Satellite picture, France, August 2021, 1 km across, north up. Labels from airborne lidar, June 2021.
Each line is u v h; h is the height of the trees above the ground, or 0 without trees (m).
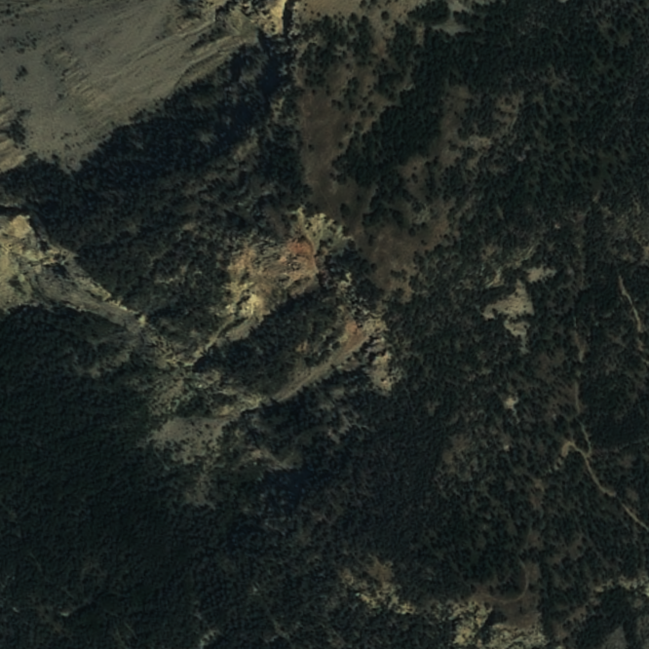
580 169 21
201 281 11
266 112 7
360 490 20
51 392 12
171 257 11
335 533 16
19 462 7
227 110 9
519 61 20
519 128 12
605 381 9
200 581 7
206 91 12
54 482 12
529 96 16
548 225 15
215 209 10
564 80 16
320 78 14
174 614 11
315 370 0
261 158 7
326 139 0
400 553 17
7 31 0
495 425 21
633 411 6
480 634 7
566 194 10
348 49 7
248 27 0
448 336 23
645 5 19
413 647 11
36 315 20
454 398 17
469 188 13
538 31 16
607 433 10
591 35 19
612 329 10
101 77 0
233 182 0
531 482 23
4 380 17
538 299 13
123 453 10
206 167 8
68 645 13
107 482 11
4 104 0
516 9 10
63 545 21
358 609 10
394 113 21
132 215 19
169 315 11
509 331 9
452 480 9
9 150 0
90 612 17
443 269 9
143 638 14
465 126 12
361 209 0
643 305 12
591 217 9
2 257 0
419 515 13
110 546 8
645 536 15
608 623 15
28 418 12
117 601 15
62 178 10
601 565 14
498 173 7
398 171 11
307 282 0
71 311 14
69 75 0
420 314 15
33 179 12
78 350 17
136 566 15
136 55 0
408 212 0
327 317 9
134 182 14
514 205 22
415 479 8
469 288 6
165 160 12
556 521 14
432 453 9
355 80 11
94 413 9
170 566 16
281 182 9
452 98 9
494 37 18
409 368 10
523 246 12
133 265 11
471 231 11
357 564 13
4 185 10
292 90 7
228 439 8
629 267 13
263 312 0
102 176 14
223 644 19
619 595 16
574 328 9
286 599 11
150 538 15
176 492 14
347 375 6
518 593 15
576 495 20
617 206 15
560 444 12
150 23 0
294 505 9
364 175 23
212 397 9
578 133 15
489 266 11
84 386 13
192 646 11
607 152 10
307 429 12
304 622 12
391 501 8
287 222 5
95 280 9
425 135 22
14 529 17
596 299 8
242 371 17
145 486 13
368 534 19
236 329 0
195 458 7
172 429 0
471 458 17
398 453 15
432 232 0
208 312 10
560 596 10
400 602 6
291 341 7
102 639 12
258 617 8
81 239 8
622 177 17
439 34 17
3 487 18
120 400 9
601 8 13
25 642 10
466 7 0
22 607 10
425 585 10
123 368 6
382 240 0
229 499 12
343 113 0
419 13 10
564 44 21
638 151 9
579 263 8
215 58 0
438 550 18
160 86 0
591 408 8
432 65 18
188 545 16
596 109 12
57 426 9
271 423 7
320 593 7
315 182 0
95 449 12
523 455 20
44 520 12
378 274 0
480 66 15
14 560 13
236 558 9
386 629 19
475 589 9
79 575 11
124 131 7
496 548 9
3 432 13
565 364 10
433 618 7
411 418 10
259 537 12
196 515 11
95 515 17
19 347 17
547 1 13
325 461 16
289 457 0
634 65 13
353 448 18
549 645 11
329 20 15
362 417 7
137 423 10
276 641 8
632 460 0
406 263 0
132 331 0
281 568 11
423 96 13
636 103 11
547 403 17
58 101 0
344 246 0
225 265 9
